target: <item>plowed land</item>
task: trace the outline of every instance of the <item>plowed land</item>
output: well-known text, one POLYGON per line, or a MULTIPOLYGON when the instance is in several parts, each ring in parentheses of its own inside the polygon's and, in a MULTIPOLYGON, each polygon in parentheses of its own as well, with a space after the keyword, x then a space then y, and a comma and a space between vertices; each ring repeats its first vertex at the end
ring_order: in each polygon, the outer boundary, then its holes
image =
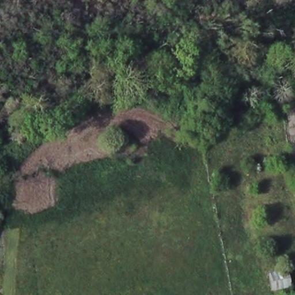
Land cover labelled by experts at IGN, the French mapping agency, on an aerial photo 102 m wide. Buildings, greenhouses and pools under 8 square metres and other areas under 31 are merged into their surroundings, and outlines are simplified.
POLYGON ((295 151, 295 107, 289 109, 289 120, 286 121, 289 143, 295 151))
POLYGON ((123 144, 118 150, 119 158, 130 159, 133 162, 143 161, 143 158, 149 157, 153 152, 150 139, 157 138, 158 130, 164 134, 166 129, 172 129, 176 124, 144 109, 130 107, 115 113, 113 119, 109 119, 106 114, 97 114, 86 121, 74 124, 74 128, 69 130, 66 142, 47 141, 41 144, 25 161, 20 171, 7 174, 16 188, 13 206, 24 213, 44 211, 58 202, 58 182, 54 177, 48 179, 45 174, 40 173, 39 167, 63 171, 74 164, 107 157, 106 152, 101 151, 97 145, 98 137, 109 124, 120 124, 124 136, 123 144))

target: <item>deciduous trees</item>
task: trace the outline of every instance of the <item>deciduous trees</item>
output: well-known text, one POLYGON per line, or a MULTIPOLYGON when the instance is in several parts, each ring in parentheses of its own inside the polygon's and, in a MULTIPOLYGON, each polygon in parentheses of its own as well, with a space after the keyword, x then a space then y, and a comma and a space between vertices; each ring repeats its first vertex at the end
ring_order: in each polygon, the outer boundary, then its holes
POLYGON ((273 271, 281 273, 283 277, 290 277, 294 265, 285 254, 277 258, 273 271))
POLYGON ((288 189, 295 196, 295 165, 283 158, 264 160, 267 174, 282 175, 288 189))
POLYGON ((65 105, 46 112, 44 103, 53 97, 53 93, 43 93, 38 98, 29 97, 31 89, 37 88, 37 83, 29 81, 23 92, 18 91, 12 82, 0 83, 0 141, 2 139, 8 144, 15 139, 21 144, 25 137, 36 146, 41 144, 47 141, 66 142, 69 130, 74 128, 74 124, 86 121, 97 114, 106 114, 109 119, 113 119, 115 113, 130 107, 144 109, 176 124, 172 129, 166 129, 164 134, 173 139, 179 150, 183 146, 190 146, 204 154, 210 144, 215 147, 225 142, 233 129, 237 136, 243 137, 248 135, 247 129, 255 122, 273 123, 277 119, 286 121, 289 120, 289 109, 295 107, 295 0, 275 0, 280 3, 277 10, 273 12, 264 5, 260 12, 255 12, 248 20, 239 7, 229 1, 221 5, 219 0, 144 0, 149 25, 133 25, 134 16, 128 14, 127 8, 119 15, 97 17, 93 21, 92 24, 86 25, 86 33, 89 35, 86 50, 89 53, 80 56, 77 46, 82 43, 82 39, 69 39, 71 32, 75 30, 74 25, 63 20, 59 10, 53 12, 56 23, 65 28, 61 37, 56 40, 56 45, 65 48, 67 53, 56 63, 58 78, 63 80, 66 77, 65 71, 71 71, 68 80, 77 90, 65 105))
POLYGON ((120 124, 109 124, 98 137, 97 145, 101 151, 106 152, 107 157, 111 160, 119 158, 118 150, 123 144, 124 136, 120 124))
POLYGON ((267 256, 273 254, 277 245, 273 236, 267 234, 257 237, 254 247, 256 256, 263 262, 267 256))
POLYGON ((207 166, 205 171, 207 183, 210 183, 210 194, 215 195, 221 183, 221 172, 207 166))
POLYGON ((249 224, 251 227, 264 227, 267 224, 266 210, 263 207, 256 207, 252 210, 249 224))
POLYGON ((254 158, 242 156, 240 166, 237 167, 239 172, 242 175, 256 174, 257 164, 254 158))

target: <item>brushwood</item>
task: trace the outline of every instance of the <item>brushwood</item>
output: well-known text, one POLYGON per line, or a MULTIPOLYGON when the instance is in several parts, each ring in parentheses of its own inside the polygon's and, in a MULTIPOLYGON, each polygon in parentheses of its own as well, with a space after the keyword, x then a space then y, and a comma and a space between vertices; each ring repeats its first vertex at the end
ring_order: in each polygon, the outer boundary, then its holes
POLYGON ((128 14, 134 16, 133 25, 149 25, 144 0, 97 0, 97 17, 119 15, 127 8, 128 14))
POLYGON ((61 37, 65 28, 56 23, 53 12, 59 10, 63 20, 74 25, 75 30, 71 32, 69 39, 82 39, 82 43, 77 46, 80 56, 89 53, 86 50, 89 35, 86 33, 86 25, 92 24, 93 21, 90 16, 80 17, 80 8, 74 8, 71 0, 0 0, 0 83, 12 82, 18 91, 23 92, 29 81, 37 83, 37 88, 31 89, 29 97, 38 98, 43 93, 53 93, 53 97, 44 103, 46 112, 65 105, 77 90, 68 80, 71 71, 65 71, 66 77, 63 80, 58 78, 56 63, 67 53, 65 48, 56 45, 56 40, 61 37))
POLYGON ((264 5, 273 12, 277 10, 280 3, 275 0, 219 0, 221 5, 229 1, 239 7, 248 20, 255 12, 260 12, 264 5))

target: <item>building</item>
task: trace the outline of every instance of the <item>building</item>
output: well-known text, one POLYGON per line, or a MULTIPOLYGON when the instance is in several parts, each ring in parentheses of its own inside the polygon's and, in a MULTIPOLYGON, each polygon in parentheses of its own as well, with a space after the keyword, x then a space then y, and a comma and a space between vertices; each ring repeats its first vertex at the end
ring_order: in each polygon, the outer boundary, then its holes
POLYGON ((283 277, 281 273, 273 271, 268 273, 268 278, 274 295, 293 295, 294 287, 290 277, 283 277))

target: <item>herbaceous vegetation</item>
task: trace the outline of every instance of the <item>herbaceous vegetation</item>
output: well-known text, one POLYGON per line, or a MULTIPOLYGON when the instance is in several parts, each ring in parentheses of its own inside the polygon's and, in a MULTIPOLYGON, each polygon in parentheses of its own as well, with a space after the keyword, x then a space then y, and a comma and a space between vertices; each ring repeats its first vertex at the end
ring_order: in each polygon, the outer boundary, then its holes
POLYGON ((45 174, 48 179, 54 177, 58 182, 58 202, 44 211, 24 213, 13 206, 16 188, 7 174, 20 171, 25 161, 41 144, 36 146, 25 137, 21 144, 15 139, 8 144, 2 139, 0 141, 0 295, 274 295, 268 278, 268 273, 273 271, 277 258, 285 254, 294 265, 290 277, 294 287, 293 295, 295 295, 295 196, 288 189, 282 175, 267 174, 264 160, 283 158, 295 165, 295 151, 289 143, 286 121, 277 119, 273 123, 255 122, 247 129, 248 135, 243 137, 237 136, 233 129, 225 142, 215 147, 210 144, 204 154, 190 146, 183 146, 179 150, 173 139, 164 134, 158 130, 157 138, 150 139, 153 152, 149 157, 143 158, 143 161, 133 162, 130 159, 119 158, 111 160, 107 157, 74 164, 63 171, 39 167, 40 173, 45 174), (242 156, 254 158, 257 164, 256 174, 242 175, 239 172, 237 167, 240 166, 242 156), (207 166, 221 172, 221 183, 215 195, 210 194, 210 183, 207 183, 205 171, 207 166), (256 207, 263 207, 266 210, 267 224, 264 227, 251 227, 249 224, 252 210, 256 207), (277 245, 273 254, 267 256, 263 262, 256 256, 254 247, 257 237, 267 234, 273 236, 277 245))

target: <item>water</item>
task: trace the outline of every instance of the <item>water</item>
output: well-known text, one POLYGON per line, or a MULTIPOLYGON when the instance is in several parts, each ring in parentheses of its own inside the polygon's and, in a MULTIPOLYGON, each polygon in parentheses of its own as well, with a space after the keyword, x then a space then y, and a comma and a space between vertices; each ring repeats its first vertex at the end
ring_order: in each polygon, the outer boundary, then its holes
POLYGON ((97 17, 97 0, 71 0, 74 8, 80 8, 80 17, 90 16, 93 21, 97 17))

